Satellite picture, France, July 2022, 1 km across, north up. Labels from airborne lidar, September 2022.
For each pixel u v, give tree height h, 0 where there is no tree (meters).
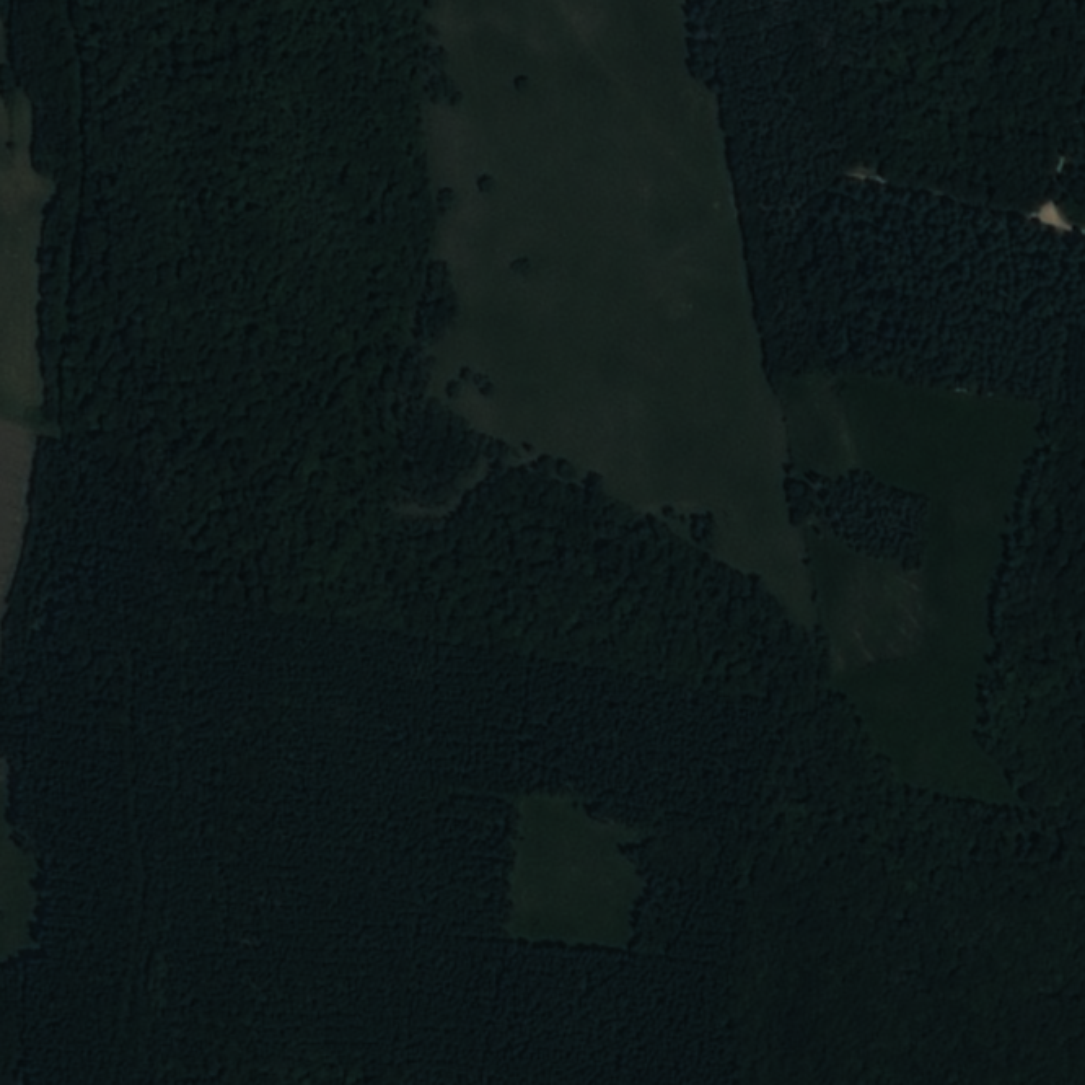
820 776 20
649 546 23
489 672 18
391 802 17
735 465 0
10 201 0
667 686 20
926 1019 19
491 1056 23
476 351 0
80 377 23
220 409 22
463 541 15
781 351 17
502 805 21
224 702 22
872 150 14
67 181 16
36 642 24
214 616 19
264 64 22
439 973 20
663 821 16
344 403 22
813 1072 17
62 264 25
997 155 20
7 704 25
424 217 17
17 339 0
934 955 21
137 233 23
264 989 18
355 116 16
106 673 26
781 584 0
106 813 23
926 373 22
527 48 0
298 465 16
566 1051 18
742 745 24
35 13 22
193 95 19
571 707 21
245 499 15
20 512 0
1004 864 21
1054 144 22
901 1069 20
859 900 23
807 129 18
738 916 14
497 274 0
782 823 20
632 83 0
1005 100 20
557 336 0
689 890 18
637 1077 21
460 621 15
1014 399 17
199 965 21
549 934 0
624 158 0
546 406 0
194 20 16
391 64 17
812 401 0
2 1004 20
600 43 0
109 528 25
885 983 19
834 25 18
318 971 17
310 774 20
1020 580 28
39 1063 23
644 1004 21
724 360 0
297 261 12
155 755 13
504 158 0
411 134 16
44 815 26
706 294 0
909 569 13
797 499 20
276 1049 16
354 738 18
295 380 19
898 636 0
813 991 20
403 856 19
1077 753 21
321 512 16
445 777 19
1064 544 26
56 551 24
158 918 12
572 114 0
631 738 24
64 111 15
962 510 0
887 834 18
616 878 0
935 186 16
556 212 0
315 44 14
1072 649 15
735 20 21
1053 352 29
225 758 21
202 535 17
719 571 22
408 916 20
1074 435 20
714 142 0
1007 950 19
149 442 19
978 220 32
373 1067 18
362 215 15
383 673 18
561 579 18
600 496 23
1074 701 17
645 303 0
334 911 19
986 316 32
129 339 24
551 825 0
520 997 18
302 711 13
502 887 21
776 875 24
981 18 18
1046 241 38
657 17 0
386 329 18
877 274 31
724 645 20
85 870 22
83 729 18
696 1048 25
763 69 21
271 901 16
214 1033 19
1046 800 26
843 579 0
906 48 17
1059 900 20
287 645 19
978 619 0
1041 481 20
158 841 16
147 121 15
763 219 14
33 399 0
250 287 21
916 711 0
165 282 20
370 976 17
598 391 0
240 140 15
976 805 21
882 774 22
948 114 8
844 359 30
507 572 6
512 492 19
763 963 16
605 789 17
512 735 22
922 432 0
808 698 20
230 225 11
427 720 21
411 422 20
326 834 19
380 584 19
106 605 24
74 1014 20
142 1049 12
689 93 0
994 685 21
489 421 0
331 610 16
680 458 0
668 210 0
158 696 17
